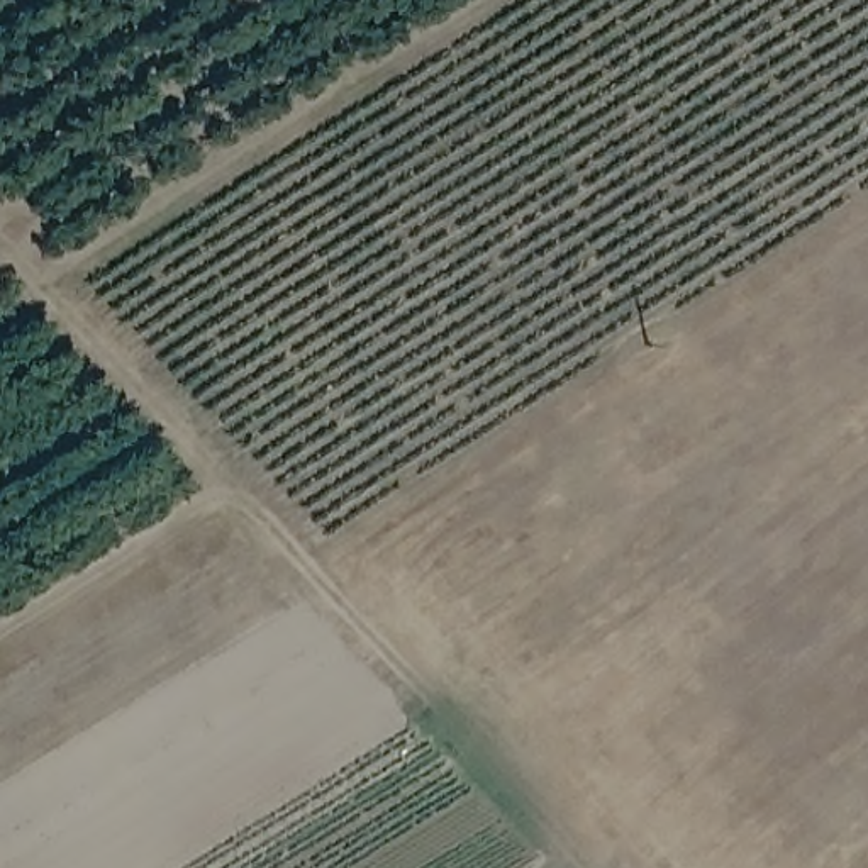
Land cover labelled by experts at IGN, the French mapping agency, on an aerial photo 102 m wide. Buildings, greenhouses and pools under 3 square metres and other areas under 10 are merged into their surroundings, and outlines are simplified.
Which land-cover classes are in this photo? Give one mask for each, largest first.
<instances>
[{"label":"agricultural land","instance_id":"1","mask_svg":"<svg viewBox=\"0 0 868 868\"><path fill-rule=\"evenodd\" d=\"M495 0H461L448 17L424 27H410L407 41L393 44L387 54L370 61H349L332 81L322 85L319 95H295L285 115L241 132L237 142H210L200 153L203 163L197 173L156 183L139 200L132 217H119L98 227V234L78 251H64L58 258L41 254V248L34 244L41 217L31 210L27 200H0V264H10L24 298L41 302L47 322H54L58 332L68 336L71 346L85 353L105 373V380L142 410L146 420L159 424L163 437L173 444V451L193 475V495L180 498L159 522L125 536L119 546L92 559L85 570L64 573L47 590L31 597L24 610L0 617V868H868V210L858 203H844L821 224L770 251L743 275L715 281V288L698 302L685 309L665 302L654 305L648 312L651 346H641L637 322H627L614 336L600 339V356L587 373L546 393L492 434H485L481 441H475L471 448L448 458L444 465L431 468L417 488H400L387 495L339 532H322L302 505H295L292 495L281 492V485H275L271 471L261 468L258 458H251L220 427V417L203 410L173 380L159 356L146 346V339L115 319V312L92 292L85 275L105 264L122 248H129L136 237L149 234L156 224L170 220L173 214L186 210L200 197L234 180L241 170L281 149L305 129L319 125L353 98L366 95L390 75L410 68L424 54L444 47L451 37L468 31L471 24L495 14Z\"/></svg>","mask_w":868,"mask_h":868},{"label":"vineyard","instance_id":"2","mask_svg":"<svg viewBox=\"0 0 868 868\"><path fill-rule=\"evenodd\" d=\"M495 14L471 24L468 31L451 37L444 47L424 54L410 68L390 75L366 95L353 98L319 125L305 129L281 149L241 170L234 180L200 197L186 210L173 214L170 220L156 224L149 234L136 237L129 248H122L105 264L85 275L92 292L115 312V319L146 339V346L159 356L173 380L203 410L220 417V427L251 458H258L261 468L271 471L275 485H281V492L292 495L295 505H302L322 532H339L387 495L400 488H417L431 468L444 465L448 458L471 448L475 441H481L485 434H492L546 393L587 373L600 356V339L614 336L627 322H637L641 346H651L648 312L654 305L665 302L685 309L698 302L715 288V281L743 275L770 251L821 224L844 203H858L868 210V0H495Z\"/></svg>","mask_w":868,"mask_h":868},{"label":"deciduous trees","instance_id":"3","mask_svg":"<svg viewBox=\"0 0 868 868\"><path fill-rule=\"evenodd\" d=\"M461 0H0V200H27L31 210L41 217L34 244L41 248V254L58 258L64 251H78L98 234V227L119 217H132L139 200L156 183L197 173L203 163L200 153L210 142H237L241 132L285 115L295 95H319L322 85L332 81L349 61H370L387 54L393 44L407 41L410 27H424L448 17ZM193 495V475L173 451V444L163 437L159 424L146 420L142 410L105 380V373L85 353L71 346L68 336L58 332L54 322H47L41 302L24 298L10 264H0V617L24 610L31 597L47 590L64 573L85 570L92 559L119 546L125 536L159 522L180 498Z\"/></svg>","mask_w":868,"mask_h":868}]
</instances>
